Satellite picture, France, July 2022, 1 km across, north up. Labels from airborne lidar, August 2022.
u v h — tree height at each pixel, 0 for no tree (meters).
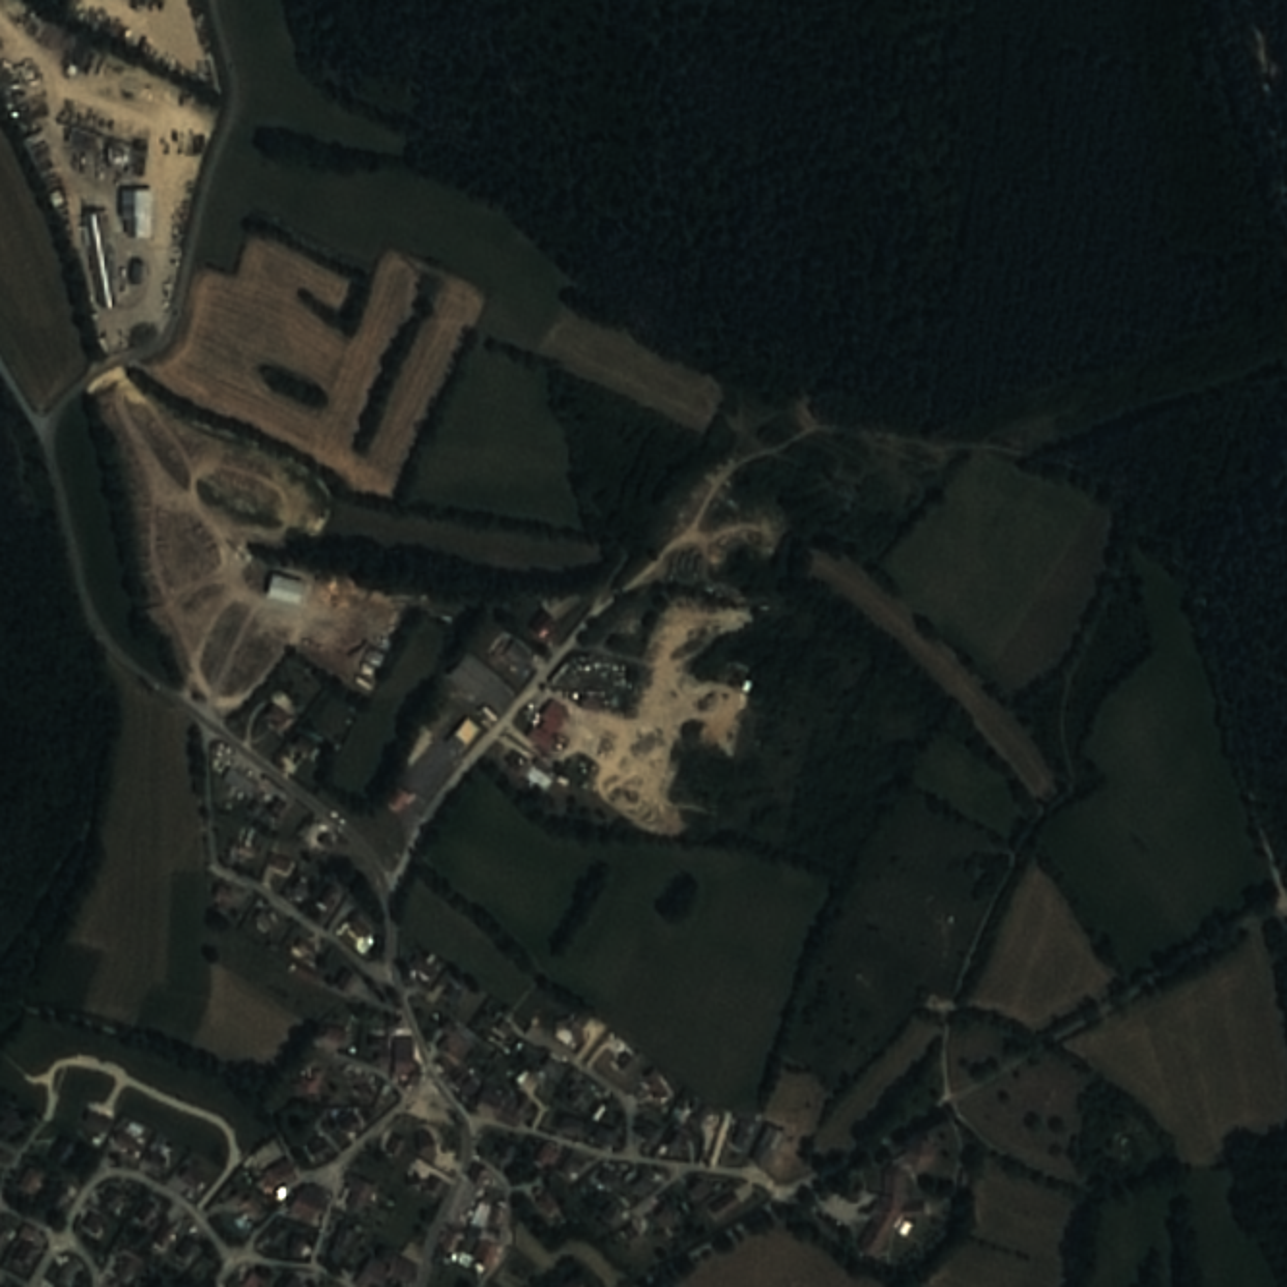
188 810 0
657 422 6
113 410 0
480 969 0
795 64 23
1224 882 0
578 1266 7
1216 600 20
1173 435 16
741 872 0
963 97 15
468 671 0
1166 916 0
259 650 0
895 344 20
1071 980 0
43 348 0
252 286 0
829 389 16
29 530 17
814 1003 8
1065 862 0
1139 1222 0
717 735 0
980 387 16
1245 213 8
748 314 16
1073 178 19
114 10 0
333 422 0
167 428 0
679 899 17
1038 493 0
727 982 0
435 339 0
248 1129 0
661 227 18
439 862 0
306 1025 6
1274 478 23
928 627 16
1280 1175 9
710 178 17
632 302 18
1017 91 15
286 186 0
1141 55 12
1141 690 0
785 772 0
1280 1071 0
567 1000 17
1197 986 0
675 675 0
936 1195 8
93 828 8
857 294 21
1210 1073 0
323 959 10
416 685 0
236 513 0
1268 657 20
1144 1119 13
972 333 18
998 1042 0
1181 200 9
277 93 0
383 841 0
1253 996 0
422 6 17
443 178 13
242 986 0
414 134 14
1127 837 0
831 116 13
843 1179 12
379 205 0
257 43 0
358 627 0
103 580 0
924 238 22
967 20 18
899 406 16
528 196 20
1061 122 17
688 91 20
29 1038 0
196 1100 0
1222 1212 0
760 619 7
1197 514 8
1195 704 0
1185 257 18
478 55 14
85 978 0
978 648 0
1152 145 18
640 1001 0
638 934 0
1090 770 13
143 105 0
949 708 20
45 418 0
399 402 0
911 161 16
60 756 16
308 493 0
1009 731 0
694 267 6
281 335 0
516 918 0
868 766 6
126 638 0
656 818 0
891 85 22
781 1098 0
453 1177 0
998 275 16
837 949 0
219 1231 6
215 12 0
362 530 0
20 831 17
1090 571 0
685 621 0
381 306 0
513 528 15
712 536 0
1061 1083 0
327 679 9
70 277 9
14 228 0
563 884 0
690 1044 0
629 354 0
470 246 0
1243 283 9
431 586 19
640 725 0
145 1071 0
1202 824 0
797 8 16
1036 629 0
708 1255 6
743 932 0
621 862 0
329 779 9
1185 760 0
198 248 0
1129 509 18
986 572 0
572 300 16
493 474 0
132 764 0
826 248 21
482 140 15
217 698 0
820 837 6
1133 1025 0
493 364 0
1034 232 15
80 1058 0
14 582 15
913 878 0
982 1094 0
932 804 13
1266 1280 0
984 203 15
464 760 0
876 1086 0
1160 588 0
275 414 0
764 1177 0
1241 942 9
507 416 0
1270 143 19
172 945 0
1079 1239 19
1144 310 16
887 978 0
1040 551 0
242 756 0
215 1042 0
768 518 0
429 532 0
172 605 0
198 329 0
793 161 24
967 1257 0
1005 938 0
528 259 0
